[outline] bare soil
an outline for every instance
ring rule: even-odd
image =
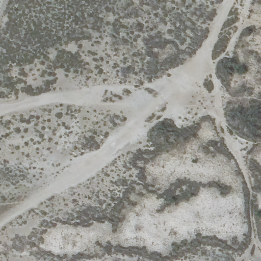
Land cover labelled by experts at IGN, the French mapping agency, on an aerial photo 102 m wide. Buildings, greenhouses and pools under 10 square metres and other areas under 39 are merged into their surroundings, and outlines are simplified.
[[[137,255],[128,257],[107,254],[100,259],[83,261],[152,261]]]
[[[253,239],[244,254],[234,259],[236,261],[261,261],[261,242],[259,239]]]
[[[225,51],[216,59],[212,59],[212,50],[234,0],[223,0],[211,22],[209,36],[196,55],[184,64],[169,69],[171,76],[163,75],[161,79],[144,84],[146,88],[155,90],[158,93],[157,97],[130,84],[109,86],[104,83],[93,88],[54,91],[39,96],[19,93],[18,100],[14,95],[0,100],[0,116],[46,104],[62,103],[94,107],[99,105],[101,109],[111,110],[112,114],[118,114],[123,110],[126,117],[124,125],[115,127],[100,149],[74,158],[71,166],[65,168],[63,173],[59,173],[56,181],[50,186],[39,189],[27,200],[0,215],[0,224],[4,226],[51,196],[58,195],[96,175],[117,157],[117,150],[129,143],[147,140],[149,129],[165,118],[173,119],[177,127],[181,127],[192,125],[193,121],[198,121],[205,115],[214,117],[216,126],[223,127],[225,144],[237,158],[248,184],[251,171],[245,164],[244,156],[253,146],[253,142],[228,133],[224,108],[230,96],[217,79],[216,65],[224,57],[232,57],[233,47],[244,29],[251,25],[261,27],[261,0],[244,0],[244,6],[236,6],[240,18],[236,22],[238,31],[231,36]]]
[[[177,178],[186,177],[202,182],[219,180],[222,184],[232,187],[229,195],[222,197],[216,188],[201,188],[199,195],[191,198],[189,202],[171,205],[163,213],[157,213],[164,200],[153,195],[132,209],[123,221],[121,232],[112,232],[111,223],[108,221],[94,221],[90,227],[73,227],[58,223],[44,234],[45,241],[40,247],[54,254],[73,255],[82,253],[87,248],[88,241],[94,240],[105,246],[106,242],[110,242],[112,245],[124,247],[146,246],[148,251],[166,256],[172,250],[172,243],[193,240],[196,233],[200,232],[203,236],[216,236],[222,240],[226,237],[238,237],[240,242],[243,242],[248,225],[245,218],[242,180],[234,173],[236,165],[221,154],[215,158],[209,157],[193,141],[187,145],[187,154],[178,153],[172,157],[168,153],[163,153],[149,162],[146,176],[149,184],[154,177],[167,188]]]
[[[12,249],[11,245],[0,242],[0,261],[47,261],[37,260],[29,252],[18,252]]]

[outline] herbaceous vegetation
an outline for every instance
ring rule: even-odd
[[[231,36],[238,31],[236,22],[240,18],[236,6],[244,6],[244,0],[234,0],[212,50],[212,59],[216,59],[225,51]]]
[[[58,195],[51,196],[4,226],[0,224],[0,242],[11,245],[12,249],[18,252],[29,252],[37,260],[47,261],[83,261],[100,259],[107,254],[128,257],[137,255],[152,261],[236,261],[234,259],[244,254],[253,239],[259,239],[261,242],[261,27],[251,25],[244,29],[233,47],[232,57],[224,57],[216,65],[217,79],[230,96],[224,108],[228,133],[253,142],[253,146],[244,156],[245,164],[251,171],[248,184],[237,158],[225,144],[223,127],[216,126],[214,117],[205,115],[198,121],[193,121],[192,125],[181,127],[177,127],[173,119],[165,118],[149,129],[147,140],[129,143],[117,150],[117,157],[96,175]],[[40,247],[45,241],[44,234],[58,223],[73,227],[90,227],[94,221],[108,221],[111,223],[112,232],[121,232],[123,221],[132,209],[153,195],[164,200],[157,213],[163,213],[171,205],[189,202],[191,198],[199,195],[201,188],[216,188],[222,197],[229,195],[232,187],[222,184],[219,180],[202,182],[186,177],[177,178],[167,188],[154,177],[149,184],[146,176],[149,162],[163,153],[168,153],[172,157],[178,153],[187,154],[187,145],[193,141],[209,157],[215,158],[221,154],[236,165],[234,173],[242,180],[245,218],[248,225],[243,242],[240,242],[238,237],[226,237],[222,240],[216,236],[203,236],[200,232],[196,233],[193,240],[172,243],[172,250],[166,256],[148,251],[146,246],[124,247],[112,245],[110,242],[106,242],[105,246],[94,240],[88,241],[87,248],[82,253],[73,255],[54,254]]]
[[[0,100],[14,95],[18,100],[19,93],[39,96],[54,91],[93,88],[104,83],[109,86],[130,84],[157,97],[158,93],[155,90],[146,88],[144,84],[161,79],[163,75],[171,76],[169,69],[184,64],[196,55],[209,36],[211,22],[223,0],[0,0]]]
[[[65,168],[71,166],[74,158],[100,149],[115,127],[124,125],[126,117],[123,110],[118,114],[112,114],[111,110],[101,109],[99,105],[94,107],[62,103],[46,104],[0,116],[0,215],[27,200],[39,189],[50,186],[56,181],[59,173],[63,173]]]

